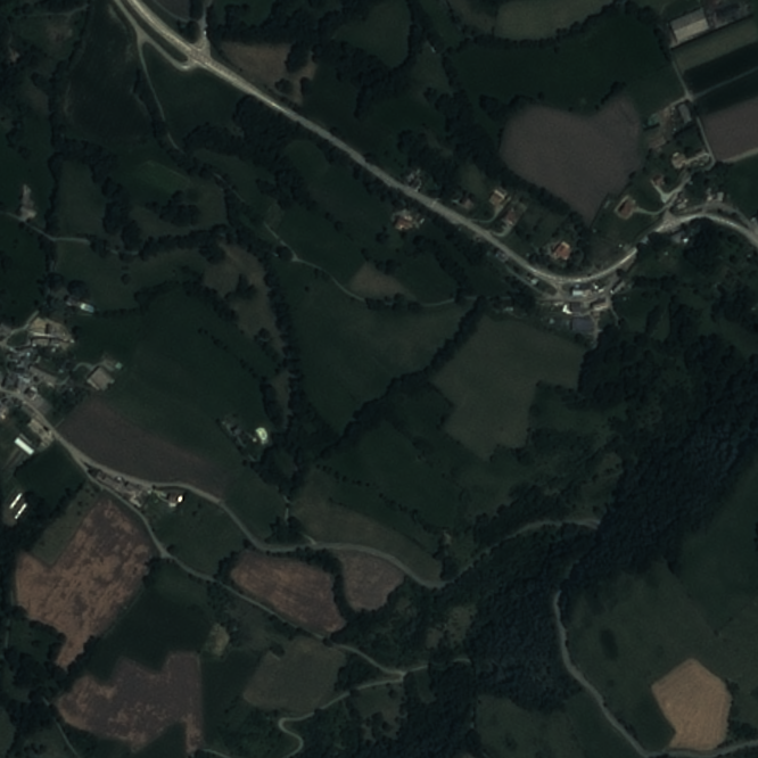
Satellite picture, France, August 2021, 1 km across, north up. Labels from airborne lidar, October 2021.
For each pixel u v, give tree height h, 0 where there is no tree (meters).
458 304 12
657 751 0
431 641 0
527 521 17
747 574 0
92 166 18
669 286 19
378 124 0
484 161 18
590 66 0
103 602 0
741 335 0
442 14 0
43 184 0
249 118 19
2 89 16
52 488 0
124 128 0
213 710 0
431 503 0
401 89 20
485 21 0
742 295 12
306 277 0
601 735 0
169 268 0
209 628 0
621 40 0
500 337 0
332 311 0
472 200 14
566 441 6
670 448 17
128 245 16
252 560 0
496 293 0
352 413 0
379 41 0
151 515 0
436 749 17
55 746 0
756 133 0
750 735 10
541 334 0
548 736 0
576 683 10
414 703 7
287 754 0
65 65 10
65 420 0
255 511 0
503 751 0
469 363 0
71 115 0
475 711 7
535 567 7
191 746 0
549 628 15
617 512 24
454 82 13
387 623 7
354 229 0
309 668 0
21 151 14
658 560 15
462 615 0
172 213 17
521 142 0
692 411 7
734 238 10
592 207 0
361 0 16
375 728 8
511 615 13
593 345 0
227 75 0
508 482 0
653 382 12
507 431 0
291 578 0
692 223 9
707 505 18
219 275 0
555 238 10
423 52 0
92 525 0
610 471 11
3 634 15
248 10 12
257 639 0
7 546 16
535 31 0
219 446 0
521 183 14
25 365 0
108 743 0
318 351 0
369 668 6
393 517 0
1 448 0
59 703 0
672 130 0
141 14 0
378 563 0
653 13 17
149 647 0
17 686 15
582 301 0
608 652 0
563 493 13
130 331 0
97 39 0
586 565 15
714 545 0
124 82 0
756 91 0
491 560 9
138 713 0
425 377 13
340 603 14
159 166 0
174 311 0
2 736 0
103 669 0
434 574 0
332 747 7
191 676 0
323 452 8
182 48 0
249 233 13
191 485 0
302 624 0
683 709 0
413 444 6
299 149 0
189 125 0
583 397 13
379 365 0
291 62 12
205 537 0
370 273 0
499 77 0
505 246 0
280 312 20
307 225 0
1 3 9
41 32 0
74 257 0
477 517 0
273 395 18
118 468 0
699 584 0
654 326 17
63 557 0
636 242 0
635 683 0
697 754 0
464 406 0
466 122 20
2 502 8
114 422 0
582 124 0
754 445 16
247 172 0
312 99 0
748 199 0
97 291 0
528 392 0
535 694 11
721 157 0
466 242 17
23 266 0
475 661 11
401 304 14
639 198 0
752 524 0
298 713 0
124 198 16
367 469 0
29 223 9
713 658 0
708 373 7
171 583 0
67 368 7
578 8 0
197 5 16
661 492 20
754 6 0
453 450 0
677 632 0
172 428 0
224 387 0
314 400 0
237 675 0
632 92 0
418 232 0
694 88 0
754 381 12
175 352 0
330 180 0
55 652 13
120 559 0
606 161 0
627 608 0
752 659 0
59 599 0
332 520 0
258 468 13
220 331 0
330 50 20
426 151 15
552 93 0
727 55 0
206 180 14
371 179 14
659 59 0
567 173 0
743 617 0
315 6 14
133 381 0
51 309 16
